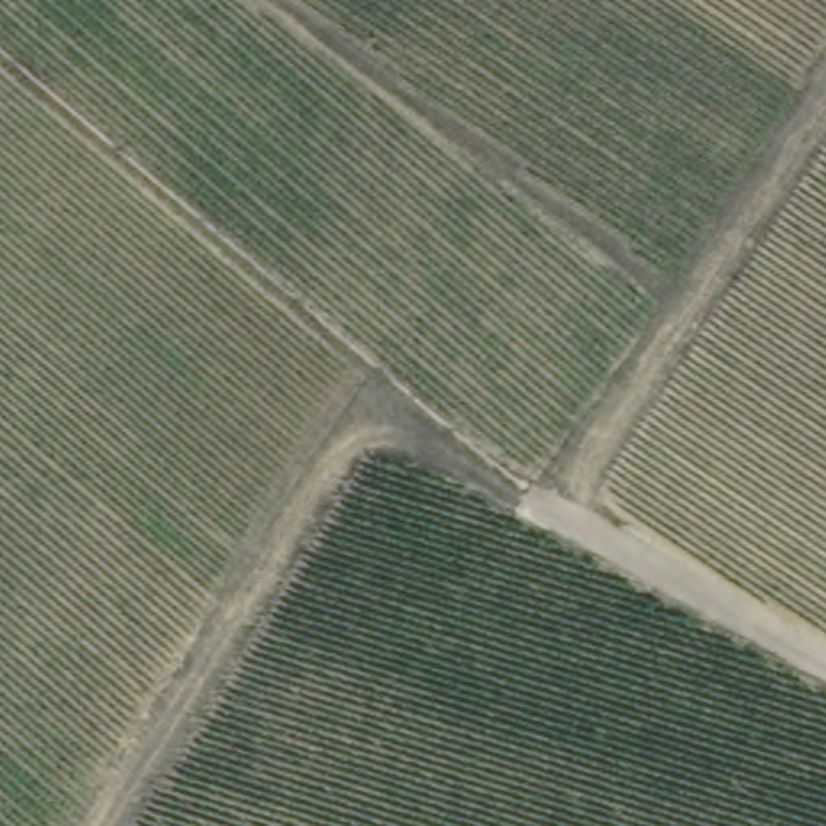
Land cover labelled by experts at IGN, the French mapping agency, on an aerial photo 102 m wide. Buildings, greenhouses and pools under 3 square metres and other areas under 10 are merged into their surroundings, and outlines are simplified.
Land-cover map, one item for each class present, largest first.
<instances>
[{"label":"vineyard","instance_id":"1","mask_svg":"<svg viewBox=\"0 0 826 826\"><path fill-rule=\"evenodd\" d=\"M368 423L390 426L387 445L381 452L352 458L339 484L323 494V500L313 510V519L297 536V545L287 555L274 590L265 594L252 620L245 626L239 620H226V603L252 581L258 558L274 542V526L284 507L310 481L316 461L342 432ZM545 487L568 503L587 507L616 529L639 523L678 552L710 568L736 590L749 594L758 603L781 607L784 613L803 620L807 626L826 636V0H0V826H826V684L791 668L784 658L771 652L736 642L720 626L700 620L697 613L678 603L661 600L652 590L632 587L629 578L600 568L597 555L574 549L555 532L523 523L516 510L523 497Z\"/></svg>","mask_w":826,"mask_h":826},{"label":"pervious surface","instance_id":"2","mask_svg":"<svg viewBox=\"0 0 826 826\"><path fill-rule=\"evenodd\" d=\"M390 426L368 423L342 432L316 461L310 481L284 507L274 526V542L258 558L252 581L226 603V620H239L245 626L252 620L265 594L274 590L287 555L297 545V536L313 519V510L323 500V494L339 484L352 458L381 452L387 445ZM523 523L555 532L574 549L597 555L600 568L629 578L632 587L652 590L661 600L678 603L697 613L700 620L720 626L736 642L771 652L784 658L791 668L826 684V636L807 626L803 620L784 613L781 607L758 603L749 594L736 590L710 568L678 552L639 523L616 529L587 507L568 503L545 487L523 497L516 510Z\"/></svg>","mask_w":826,"mask_h":826}]
</instances>
